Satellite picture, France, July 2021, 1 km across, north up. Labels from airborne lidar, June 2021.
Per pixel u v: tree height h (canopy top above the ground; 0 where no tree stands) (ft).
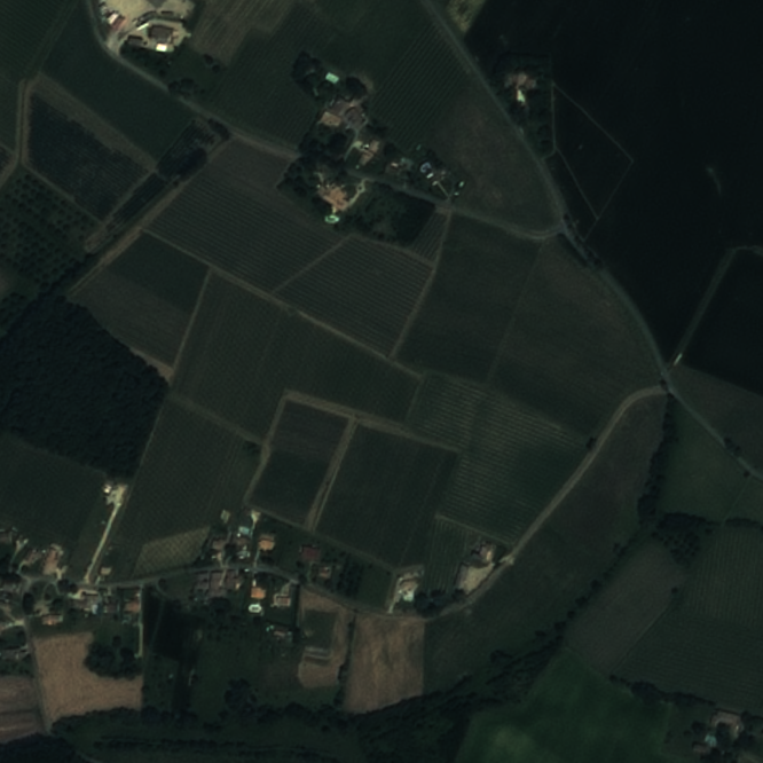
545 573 0
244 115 0
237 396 0
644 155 0
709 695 0
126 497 0
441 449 0
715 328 0
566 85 0
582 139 0
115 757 0
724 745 45
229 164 0
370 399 0
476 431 0
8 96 0
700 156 0
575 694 0
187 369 0
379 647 0
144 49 23
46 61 0
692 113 0
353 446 0
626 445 0
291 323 0
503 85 21
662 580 0
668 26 0
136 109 0
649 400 0
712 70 0
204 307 0
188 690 0
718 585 0
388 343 0
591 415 0
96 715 23
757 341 0
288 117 0
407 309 0
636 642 0
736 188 0
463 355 0
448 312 0
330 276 0
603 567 0
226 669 0
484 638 0
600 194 0
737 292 0
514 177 0
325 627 0
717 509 0
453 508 0
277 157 0
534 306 0
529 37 0
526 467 0
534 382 0
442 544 0
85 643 0
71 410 65
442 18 0
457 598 44
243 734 0
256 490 0
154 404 64
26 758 71
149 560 0
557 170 0
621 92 0
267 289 0
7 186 0
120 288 0
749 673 0
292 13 0
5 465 0
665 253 0
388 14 0
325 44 0
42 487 0
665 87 0
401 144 0
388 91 0
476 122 0
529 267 0
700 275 0
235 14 0
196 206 0
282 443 0
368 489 0
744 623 0
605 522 0
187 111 0
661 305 0
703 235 0
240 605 0
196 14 0
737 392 0
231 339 0
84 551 0
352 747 0
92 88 0
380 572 0
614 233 0
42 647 0
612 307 0
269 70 0
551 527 0
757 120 0
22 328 84
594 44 0
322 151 26
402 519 0
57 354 67
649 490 27
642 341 0
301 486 0
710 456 0
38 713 0
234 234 0
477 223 0
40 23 0
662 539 19
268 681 0
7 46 0
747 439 0
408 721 40
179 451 0
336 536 0
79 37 0
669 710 0
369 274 0
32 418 73
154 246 0
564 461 0
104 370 75
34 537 0
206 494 0
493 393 0
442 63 0
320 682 0
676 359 0
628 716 0
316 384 0
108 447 65
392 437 0
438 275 0
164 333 0
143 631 0
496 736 0
